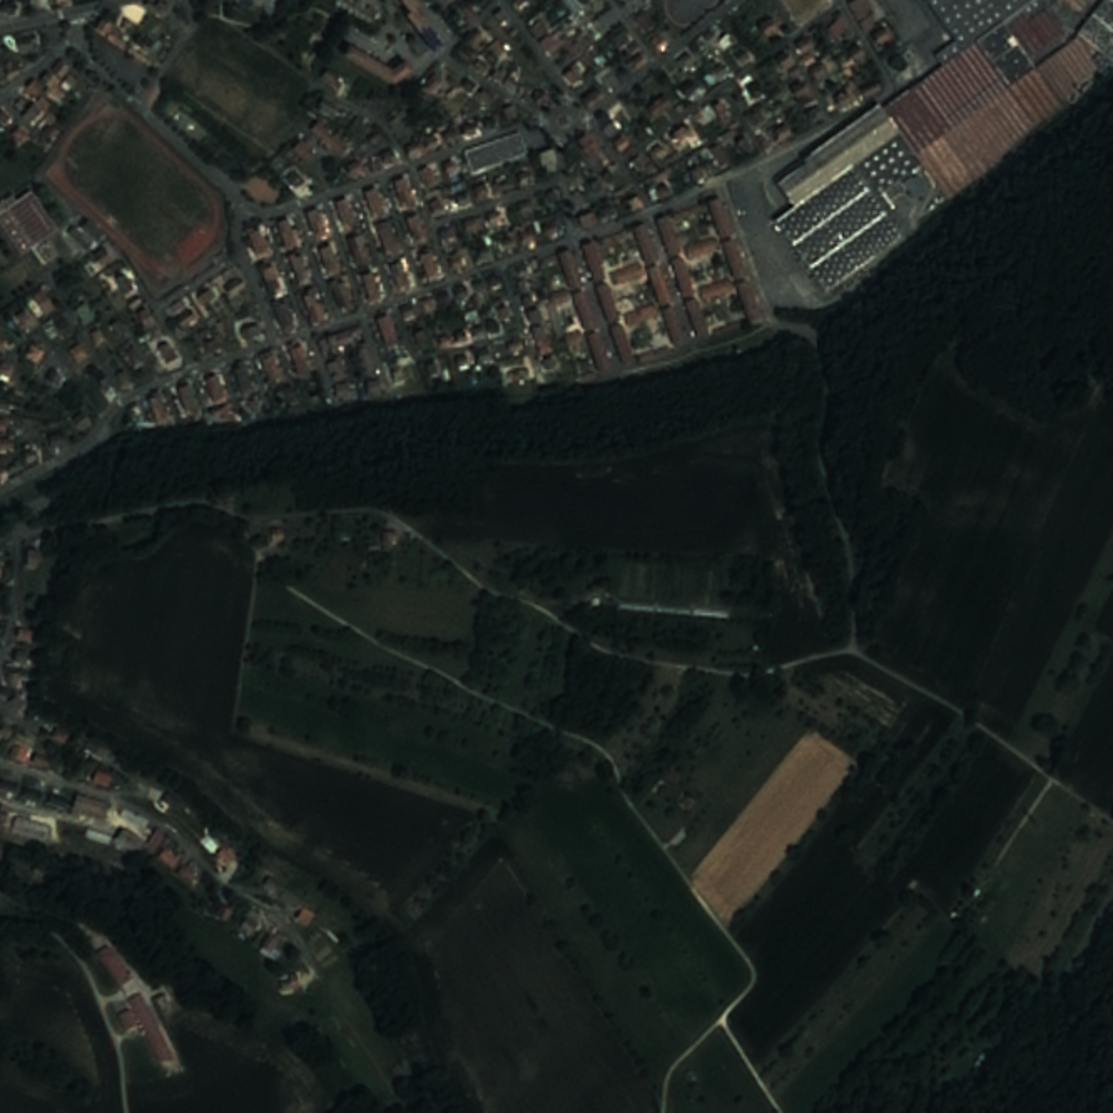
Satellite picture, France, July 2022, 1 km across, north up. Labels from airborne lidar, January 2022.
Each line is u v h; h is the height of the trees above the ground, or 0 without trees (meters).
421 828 0
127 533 0
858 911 0
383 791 0
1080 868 0
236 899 18
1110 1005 22
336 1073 0
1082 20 0
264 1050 0
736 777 0
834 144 0
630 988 0
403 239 0
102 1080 0
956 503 0
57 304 7
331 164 14
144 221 0
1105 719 0
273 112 0
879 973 0
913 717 0
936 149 0
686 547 0
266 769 0
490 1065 0
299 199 0
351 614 0
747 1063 0
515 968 0
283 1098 0
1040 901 0
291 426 15
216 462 14
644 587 0
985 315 19
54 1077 10
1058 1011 21
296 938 0
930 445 0
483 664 7
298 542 9
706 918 0
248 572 0
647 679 6
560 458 11
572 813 0
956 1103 16
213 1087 0
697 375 12
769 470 0
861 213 0
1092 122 16
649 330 0
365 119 0
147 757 8
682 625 5
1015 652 0
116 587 0
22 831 0
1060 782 0
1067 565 0
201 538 0
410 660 0
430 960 0
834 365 25
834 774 0
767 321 0
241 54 0
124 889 30
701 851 0
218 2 0
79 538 17
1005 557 0
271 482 12
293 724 0
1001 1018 9
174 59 0
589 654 11
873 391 21
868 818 0
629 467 0
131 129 0
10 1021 0
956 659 0
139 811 0
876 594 18
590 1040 0
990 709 0
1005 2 0
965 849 0
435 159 0
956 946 8
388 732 0
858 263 0
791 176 0
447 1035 0
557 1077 0
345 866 0
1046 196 21
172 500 7
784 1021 0
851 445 22
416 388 0
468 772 0
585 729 7
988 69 0
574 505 0
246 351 0
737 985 0
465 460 13
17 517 11
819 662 0
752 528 0
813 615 0
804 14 0
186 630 0
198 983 22
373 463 6
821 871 0
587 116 0
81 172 0
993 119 0
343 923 0
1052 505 0
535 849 0
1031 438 0
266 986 0
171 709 0
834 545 20
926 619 0
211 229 0
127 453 12
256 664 7
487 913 0
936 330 21
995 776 0
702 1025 0
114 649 0
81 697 0
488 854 0
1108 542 0
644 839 0
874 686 0
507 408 11
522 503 0
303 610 0
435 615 0
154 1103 0
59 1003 0
